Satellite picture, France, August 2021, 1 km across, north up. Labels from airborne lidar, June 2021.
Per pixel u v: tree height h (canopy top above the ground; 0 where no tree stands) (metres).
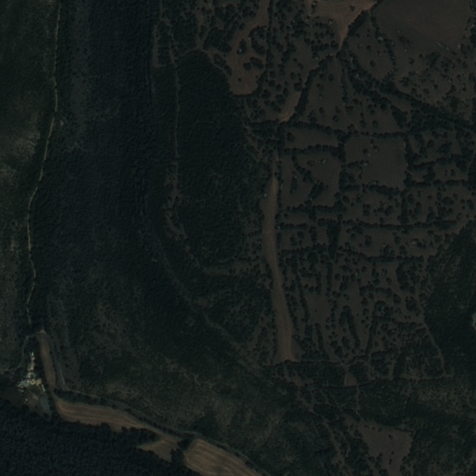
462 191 0
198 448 0
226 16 8
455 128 7
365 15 10
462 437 7
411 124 9
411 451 7
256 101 9
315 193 7
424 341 8
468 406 7
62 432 15
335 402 7
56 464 14
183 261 6
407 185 9
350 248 7
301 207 8
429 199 6
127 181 8
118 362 7
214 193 10
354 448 10
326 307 0
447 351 7
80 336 9
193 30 7
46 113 7
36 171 11
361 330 0
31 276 11
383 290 7
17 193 6
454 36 0
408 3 0
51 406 6
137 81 7
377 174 0
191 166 7
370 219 0
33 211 10
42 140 8
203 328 6
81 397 14
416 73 8
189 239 8
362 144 0
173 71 6
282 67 7
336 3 0
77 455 9
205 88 7
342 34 0
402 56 0
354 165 8
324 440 6
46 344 0
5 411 19
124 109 7
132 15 10
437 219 8
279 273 0
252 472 0
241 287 7
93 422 0
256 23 0
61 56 7
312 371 7
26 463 13
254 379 6
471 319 13
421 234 0
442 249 9
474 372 6
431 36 0
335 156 9
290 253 7
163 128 6
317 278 7
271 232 0
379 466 7
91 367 10
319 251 6
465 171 7
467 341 9
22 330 10
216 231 7
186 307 7
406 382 7
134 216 7
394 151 0
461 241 10
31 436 7
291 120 8
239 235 7
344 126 0
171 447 0
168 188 7
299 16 8
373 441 0
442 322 8
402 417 9
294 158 7
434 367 7
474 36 7
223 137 10
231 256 7
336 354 7
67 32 6
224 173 9
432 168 8
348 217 0
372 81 8
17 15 6
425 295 8
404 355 7
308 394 6
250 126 7
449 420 7
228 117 7
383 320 8
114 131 5
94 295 6
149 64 7
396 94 9
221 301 6
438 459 6
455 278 7
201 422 8
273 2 10
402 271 10
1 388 16
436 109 6
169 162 6
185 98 5
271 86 11
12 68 7
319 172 0
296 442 7
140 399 7
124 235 7
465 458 7
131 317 6
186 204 7
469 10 0
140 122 6
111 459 10
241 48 8
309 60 0
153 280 9
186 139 6
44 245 8
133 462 12
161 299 8
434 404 6
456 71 0
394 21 0
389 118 0
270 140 8
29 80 6
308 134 0
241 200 6
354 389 8
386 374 7
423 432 8
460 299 7
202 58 7
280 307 0
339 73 0
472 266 7
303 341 5
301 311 0
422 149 8
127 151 9
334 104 0
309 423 7
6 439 10
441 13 0
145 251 8
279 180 10
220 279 6
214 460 0
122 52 6
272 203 0
